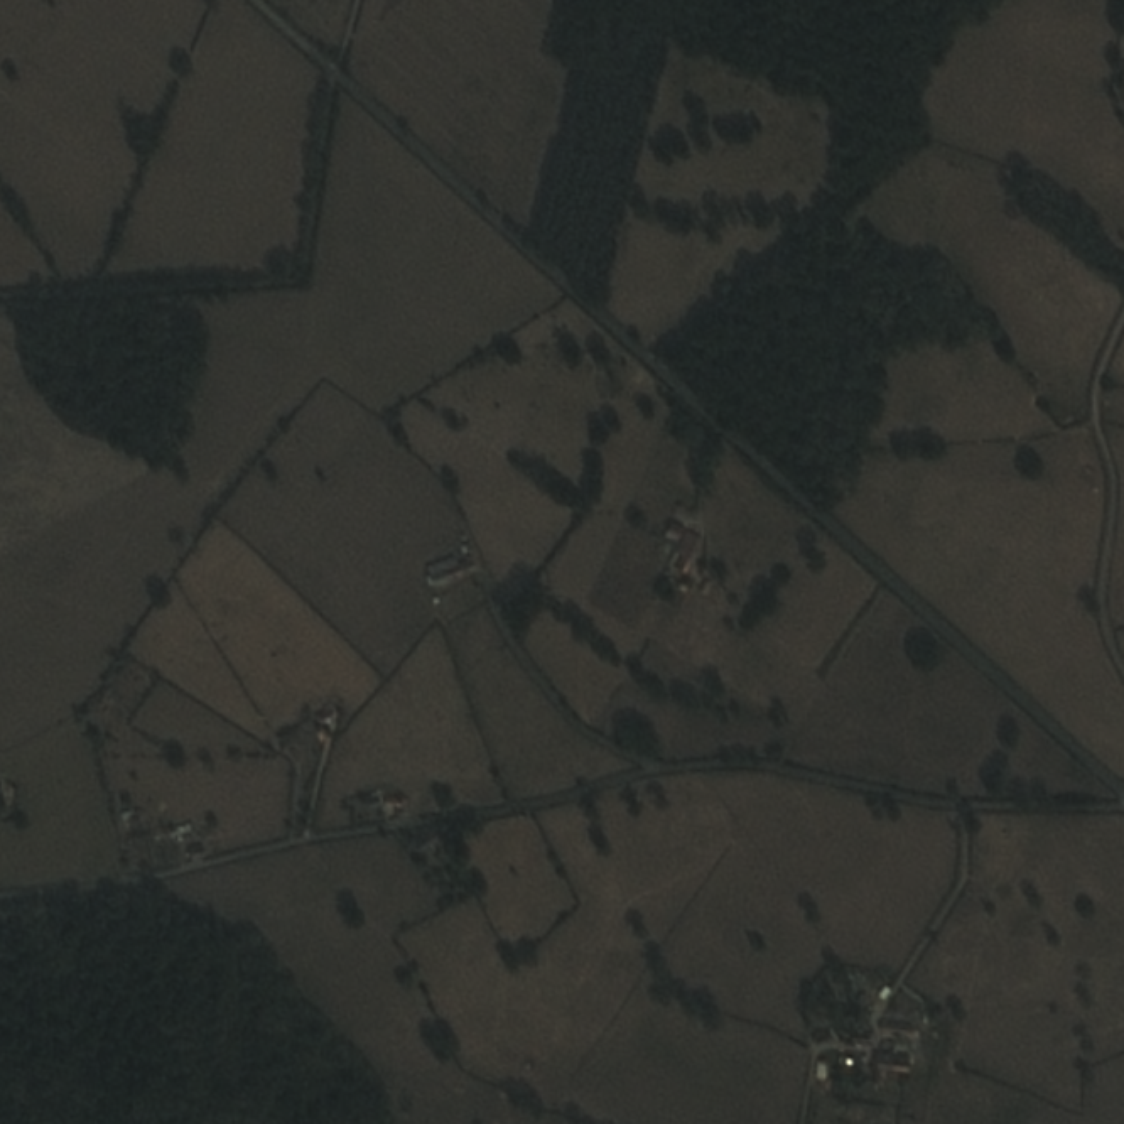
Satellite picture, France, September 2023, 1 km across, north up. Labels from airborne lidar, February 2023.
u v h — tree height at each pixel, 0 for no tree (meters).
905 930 0
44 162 0
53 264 10
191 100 0
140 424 17
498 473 0
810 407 20
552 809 0
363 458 0
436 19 0
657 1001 15
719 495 0
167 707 0
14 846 0
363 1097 16
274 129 0
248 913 0
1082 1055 0
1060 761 0
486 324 0
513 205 0
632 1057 0
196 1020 17
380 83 0
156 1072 20
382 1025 0
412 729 0
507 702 0
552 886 0
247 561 0
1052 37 0
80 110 0
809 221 18
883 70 23
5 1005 25
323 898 0
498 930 0
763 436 24
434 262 0
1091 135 0
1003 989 0
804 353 27
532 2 0
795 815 0
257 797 0
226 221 0
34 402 0
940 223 0
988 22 0
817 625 0
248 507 0
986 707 0
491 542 0
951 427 0
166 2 0
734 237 0
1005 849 0
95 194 0
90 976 21
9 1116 22
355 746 0
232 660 0
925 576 0
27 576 0
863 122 24
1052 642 0
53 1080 20
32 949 23
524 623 13
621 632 0
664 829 0
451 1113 0
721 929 0
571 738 0
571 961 0
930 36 21
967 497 0
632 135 19
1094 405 0
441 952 0
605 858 0
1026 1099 0
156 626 0
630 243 0
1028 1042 0
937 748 0
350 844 0
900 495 0
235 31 0
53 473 0
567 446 0
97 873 0
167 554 0
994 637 0
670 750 0
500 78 0
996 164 0
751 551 0
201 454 0
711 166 0
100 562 0
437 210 0
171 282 12
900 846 0
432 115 0
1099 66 0
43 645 0
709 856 0
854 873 0
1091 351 0
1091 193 0
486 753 0
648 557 0
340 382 0
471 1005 0
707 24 25
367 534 0
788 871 0
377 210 0
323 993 0
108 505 0
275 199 0
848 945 0
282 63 0
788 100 0
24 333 18
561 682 0
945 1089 0
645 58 20
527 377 0
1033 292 0
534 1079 0
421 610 0
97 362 21
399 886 0
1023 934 0
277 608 0
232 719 0
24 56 0
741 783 0
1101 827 0
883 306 25
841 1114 0
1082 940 0
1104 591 0
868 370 24
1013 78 0
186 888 0
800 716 0
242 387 0
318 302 0
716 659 0
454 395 0
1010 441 0
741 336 23
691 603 0
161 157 0
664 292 0
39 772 0
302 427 0
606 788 0
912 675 0
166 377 18
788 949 0
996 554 0
